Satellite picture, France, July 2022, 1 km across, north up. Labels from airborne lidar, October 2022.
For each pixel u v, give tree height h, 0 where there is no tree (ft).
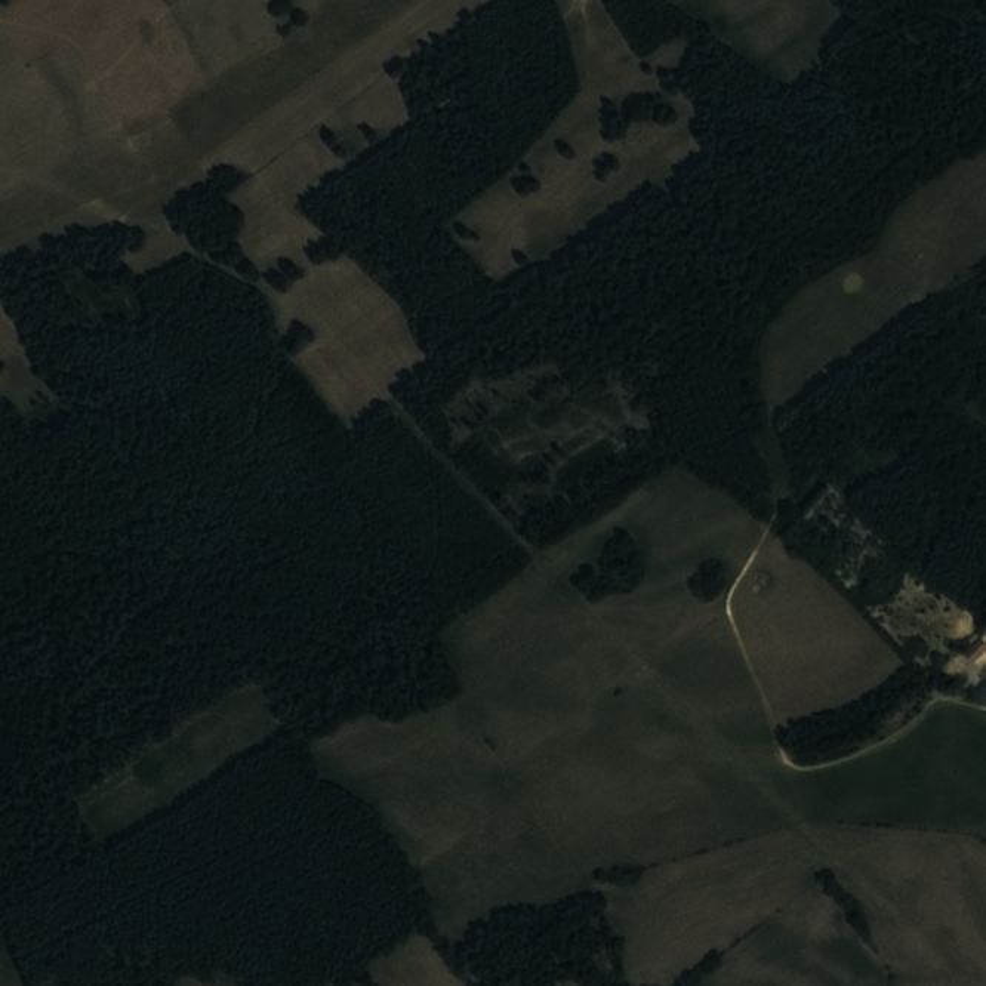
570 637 0
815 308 0
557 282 106
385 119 0
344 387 0
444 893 0
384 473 51
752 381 19
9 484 80
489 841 0
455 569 63
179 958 78
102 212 0
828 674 0
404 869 72
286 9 52
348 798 54
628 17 46
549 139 0
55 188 0
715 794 0
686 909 0
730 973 0
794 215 52
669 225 64
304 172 0
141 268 0
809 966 0
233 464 63
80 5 0
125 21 0
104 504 31
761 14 0
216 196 64
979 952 0
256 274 80
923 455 59
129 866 94
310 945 73
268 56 0
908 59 74
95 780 70
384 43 0
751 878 0
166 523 76
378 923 81
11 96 0
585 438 0
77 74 0
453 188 59
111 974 80
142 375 72
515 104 65
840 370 70
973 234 0
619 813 0
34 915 89
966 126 76
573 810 0
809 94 77
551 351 87
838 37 77
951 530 35
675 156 0
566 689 0
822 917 0
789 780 0
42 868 51
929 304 35
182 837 88
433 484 33
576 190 0
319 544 50
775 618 0
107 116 0
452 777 0
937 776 0
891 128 55
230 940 86
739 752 0
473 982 26
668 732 0
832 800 0
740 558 0
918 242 0
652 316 68
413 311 27
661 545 0
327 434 53
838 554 27
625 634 0
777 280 66
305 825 83
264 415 48
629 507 0
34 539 29
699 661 0
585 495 39
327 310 0
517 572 45
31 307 76
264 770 75
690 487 0
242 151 0
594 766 0
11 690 74
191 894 75
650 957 0
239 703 0
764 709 0
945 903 0
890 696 57
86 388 84
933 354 45
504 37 59
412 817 0
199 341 66
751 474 58
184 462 56
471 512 35
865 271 0
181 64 0
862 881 0
